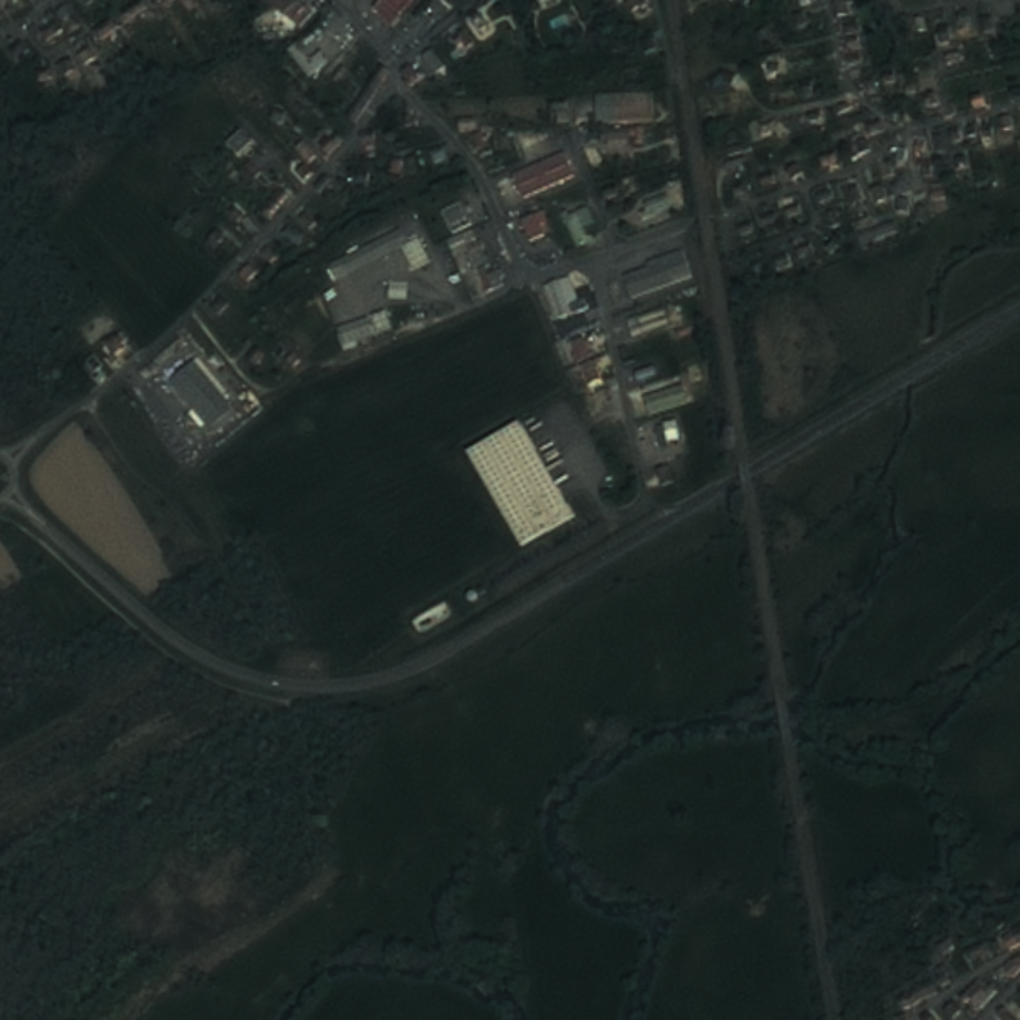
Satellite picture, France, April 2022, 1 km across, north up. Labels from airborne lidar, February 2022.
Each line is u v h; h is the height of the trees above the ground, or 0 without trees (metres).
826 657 13
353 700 0
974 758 0
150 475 0
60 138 21
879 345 0
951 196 12
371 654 0
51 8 0
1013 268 0
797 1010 0
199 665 0
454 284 0
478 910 0
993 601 0
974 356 0
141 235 0
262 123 0
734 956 0
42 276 13
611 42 22
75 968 23
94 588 0
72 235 0
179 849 0
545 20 0
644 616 0
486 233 0
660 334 0
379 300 0
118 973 14
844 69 0
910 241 0
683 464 0
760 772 0
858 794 0
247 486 0
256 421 0
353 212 6
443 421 0
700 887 0
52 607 0
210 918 0
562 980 0
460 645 0
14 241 13
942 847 12
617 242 0
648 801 0
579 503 0
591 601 0
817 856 0
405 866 0
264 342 0
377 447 0
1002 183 0
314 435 0
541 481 0
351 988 0
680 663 0
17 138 19
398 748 0
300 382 0
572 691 0
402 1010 0
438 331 0
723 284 0
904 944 0
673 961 0
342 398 0
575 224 0
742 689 0
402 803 0
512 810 0
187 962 0
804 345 0
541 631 0
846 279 0
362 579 0
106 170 0
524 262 0
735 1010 0
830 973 0
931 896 13
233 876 0
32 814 0
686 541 0
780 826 0
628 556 0
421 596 0
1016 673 0
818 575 0
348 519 0
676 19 0
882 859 0
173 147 0
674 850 0
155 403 0
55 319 15
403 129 0
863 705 10
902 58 10
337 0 0
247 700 0
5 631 20
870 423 0
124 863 21
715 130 16
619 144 0
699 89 0
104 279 0
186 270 0
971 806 0
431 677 0
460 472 0
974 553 0
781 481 0
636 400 0
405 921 0
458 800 0
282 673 0
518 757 0
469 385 0
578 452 0
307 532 0
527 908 0
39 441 0
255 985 0
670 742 15
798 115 0
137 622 0
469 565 0
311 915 0
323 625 0
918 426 0
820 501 0
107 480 0
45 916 14
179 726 0
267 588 20
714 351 6
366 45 0
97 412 0
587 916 0
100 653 19
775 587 7
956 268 0
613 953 0
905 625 0
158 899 0
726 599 0
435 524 0
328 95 0
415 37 0
